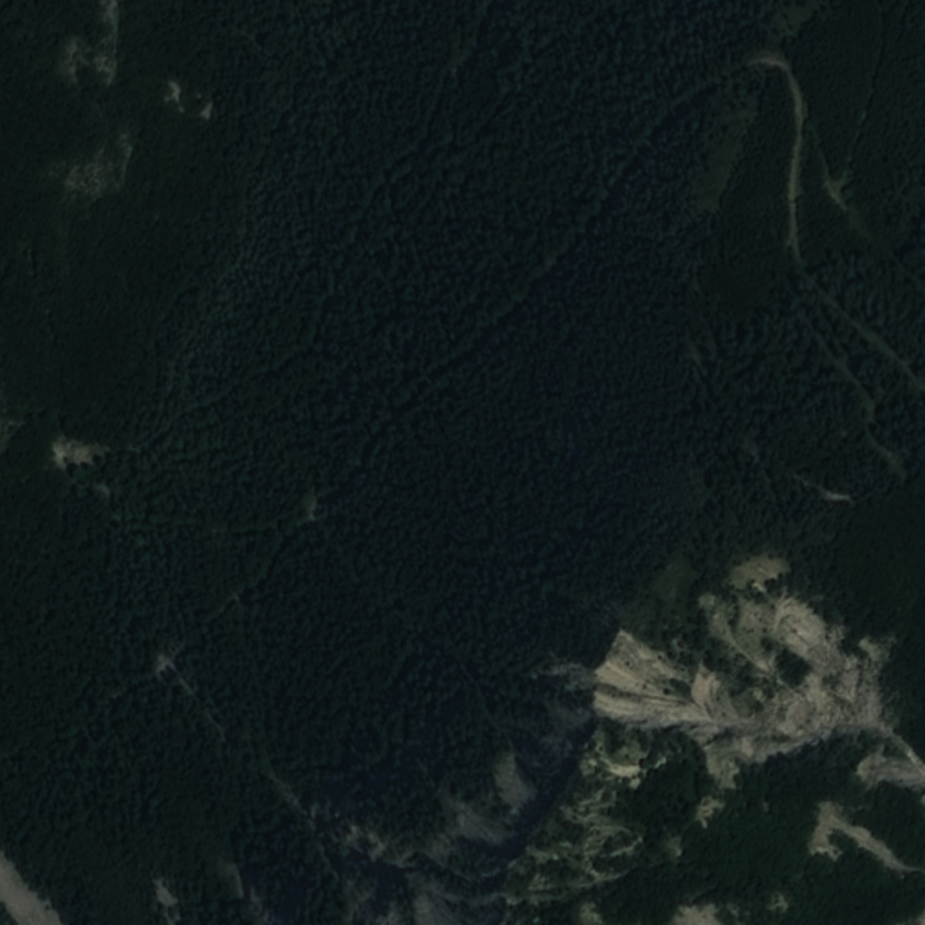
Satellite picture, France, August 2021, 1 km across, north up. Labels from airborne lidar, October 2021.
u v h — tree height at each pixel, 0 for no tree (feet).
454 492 59
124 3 45
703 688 0
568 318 58
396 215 35
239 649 40
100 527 64
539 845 40
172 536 53
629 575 64
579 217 89
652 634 27
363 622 83
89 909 38
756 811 48
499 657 34
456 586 69
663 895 45
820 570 41
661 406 67
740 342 78
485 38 52
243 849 78
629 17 73
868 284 86
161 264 73
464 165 61
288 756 41
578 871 22
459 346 90
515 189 58
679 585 0
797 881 21
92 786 46
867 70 50
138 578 83
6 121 59
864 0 55
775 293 29
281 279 58
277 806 85
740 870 72
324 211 69
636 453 65
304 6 60
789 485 77
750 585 25
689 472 95
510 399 68
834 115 28
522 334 46
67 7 54
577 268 62
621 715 0
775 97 58
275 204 71
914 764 0
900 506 51
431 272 28
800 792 62
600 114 97
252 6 69
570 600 39
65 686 66
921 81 42
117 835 61
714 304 79
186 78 60
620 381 65
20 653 74
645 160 66
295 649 47
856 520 49
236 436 54
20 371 33
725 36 81
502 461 64
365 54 60
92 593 60
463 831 0
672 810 38
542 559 57
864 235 22
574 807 25
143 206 34
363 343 68
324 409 69
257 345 60
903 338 87
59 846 64
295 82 48
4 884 0
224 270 68
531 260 70
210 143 57
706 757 28
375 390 66
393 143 57
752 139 33
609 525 83
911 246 26
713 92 42
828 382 62
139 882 21
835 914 98
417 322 84
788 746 0
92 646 59
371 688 63
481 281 68
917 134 32
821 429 48
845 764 43
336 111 47
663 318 64
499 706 82
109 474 55
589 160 82
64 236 21
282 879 53
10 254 52
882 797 53
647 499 68
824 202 39
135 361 69
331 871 45
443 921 0
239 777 50
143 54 51
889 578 57
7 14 66
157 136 35
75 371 59
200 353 36
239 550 69
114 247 52
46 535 64
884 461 43
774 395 83
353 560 30
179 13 63
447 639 72
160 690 55
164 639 65
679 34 79
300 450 52
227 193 59
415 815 41
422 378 83
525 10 53
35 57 50
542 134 59
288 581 49
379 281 36
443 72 86
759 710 23
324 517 41
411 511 68
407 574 58
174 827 73
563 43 79
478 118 62
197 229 52
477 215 37
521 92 36
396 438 74
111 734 72
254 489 78
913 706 38
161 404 66
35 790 73
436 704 49
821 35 49
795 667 31
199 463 42
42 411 26
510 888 20
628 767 0
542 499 79
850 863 54
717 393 85
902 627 43
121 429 58
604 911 39
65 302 39
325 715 75
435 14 88
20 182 38
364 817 31
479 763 27
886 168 39
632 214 81
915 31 43
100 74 23
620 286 58
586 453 34
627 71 90
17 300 60
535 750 23
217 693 60
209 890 69
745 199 50
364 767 57
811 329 97
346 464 72
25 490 41
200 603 73
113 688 61
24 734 53
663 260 69
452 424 74
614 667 0
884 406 29
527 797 0
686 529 57
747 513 88
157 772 64
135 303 78
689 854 59
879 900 102
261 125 61
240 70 62
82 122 56
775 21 108
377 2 41
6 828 40
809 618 0
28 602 63
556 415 44
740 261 46
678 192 57
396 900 26
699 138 56
